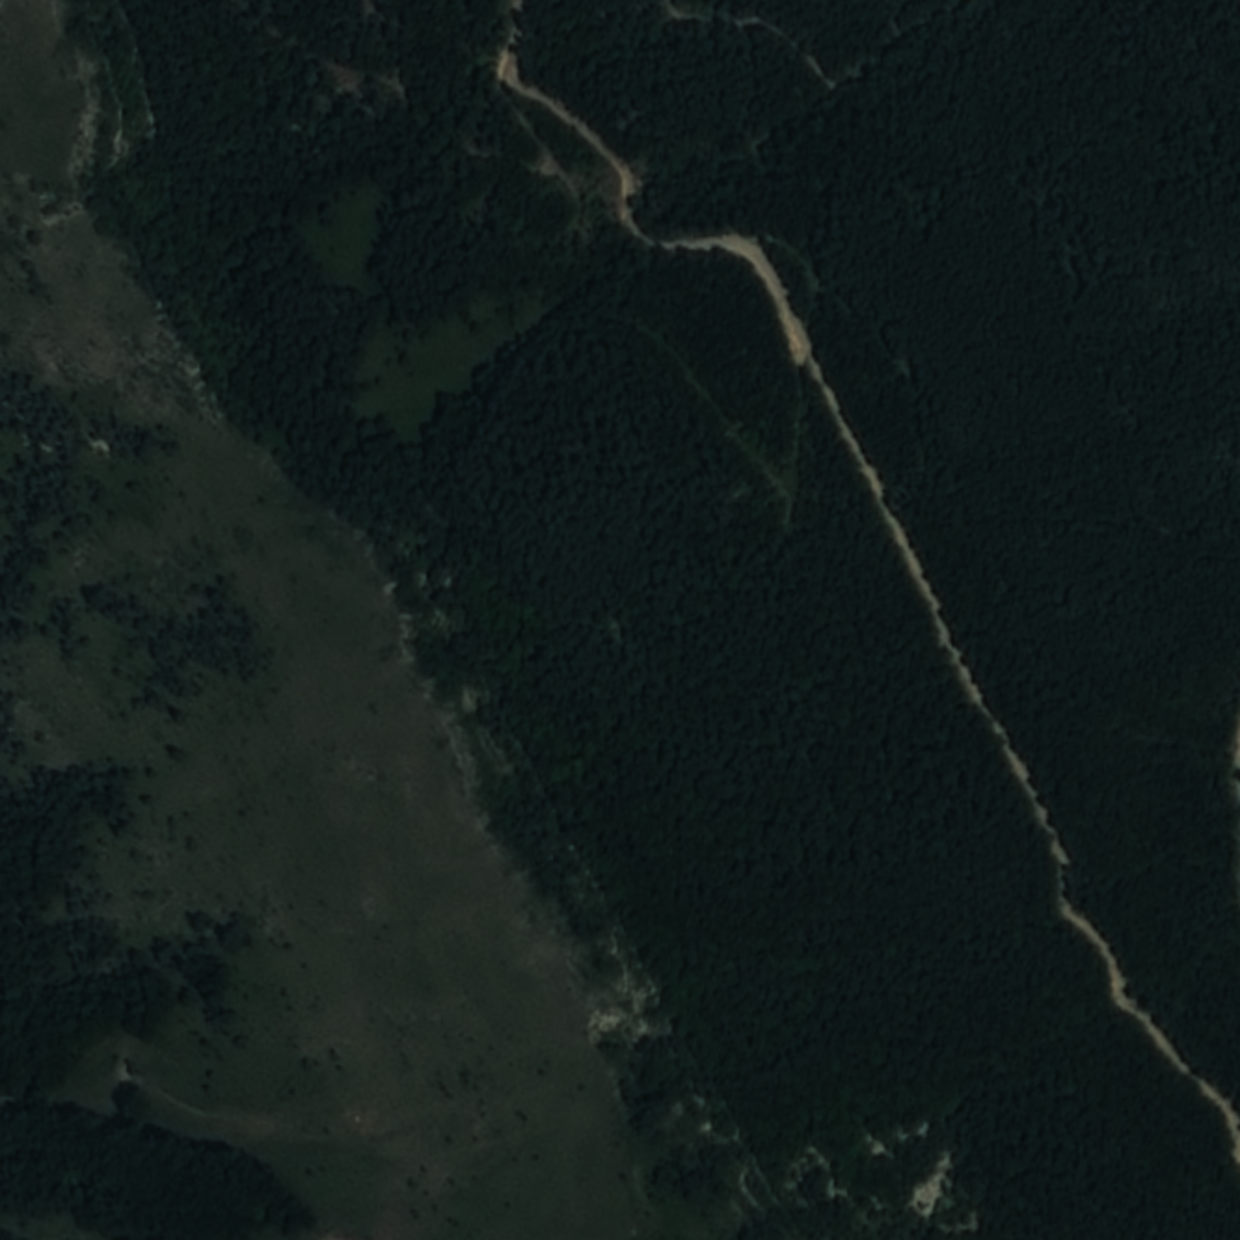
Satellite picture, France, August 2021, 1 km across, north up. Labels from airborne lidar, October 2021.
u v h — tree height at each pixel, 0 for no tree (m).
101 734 0
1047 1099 22
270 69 24
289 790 0
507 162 12
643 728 16
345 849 0
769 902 23
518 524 29
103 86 7
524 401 22
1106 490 20
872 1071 21
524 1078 0
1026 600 21
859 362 17
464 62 23
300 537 0
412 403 0
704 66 22
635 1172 0
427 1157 0
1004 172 21
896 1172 11
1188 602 16
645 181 8
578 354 14
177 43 23
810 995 22
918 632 21
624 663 22
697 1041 22
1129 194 22
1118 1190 20
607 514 30
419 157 21
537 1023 0
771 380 10
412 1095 0
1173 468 23
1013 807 24
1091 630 19
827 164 18
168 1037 0
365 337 24
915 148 20
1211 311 20
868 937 24
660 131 20
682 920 24
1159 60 19
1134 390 22
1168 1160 21
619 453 25
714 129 11
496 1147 0
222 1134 0
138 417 0
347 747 0
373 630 0
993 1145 21
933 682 23
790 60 17
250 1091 0
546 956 0
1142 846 11
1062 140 21
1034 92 22
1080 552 22
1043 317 25
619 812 27
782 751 27
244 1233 12
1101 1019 23
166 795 0
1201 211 23
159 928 0
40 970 15
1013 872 20
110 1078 0
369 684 0
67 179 0
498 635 22
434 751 0
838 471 10
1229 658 17
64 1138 22
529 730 19
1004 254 27
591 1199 0
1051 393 27
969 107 22
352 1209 0
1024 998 22
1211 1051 20
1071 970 19
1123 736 19
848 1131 17
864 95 15
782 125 7
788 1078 22
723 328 15
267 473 0
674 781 24
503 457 26
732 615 18
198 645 9
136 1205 17
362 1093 0
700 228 14
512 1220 0
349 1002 0
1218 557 15
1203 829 24
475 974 0
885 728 17
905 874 25
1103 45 27
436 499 22
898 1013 23
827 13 18
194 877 0
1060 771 23
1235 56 25
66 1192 20
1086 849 19
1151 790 23
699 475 12
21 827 15
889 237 24
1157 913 20
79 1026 25
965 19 10
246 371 15
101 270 0
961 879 23
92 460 0
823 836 26
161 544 0
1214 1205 23
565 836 22
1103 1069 24
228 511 0
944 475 20
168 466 0
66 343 0
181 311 15
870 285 25
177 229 15
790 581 21
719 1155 16
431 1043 0
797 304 17
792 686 19
